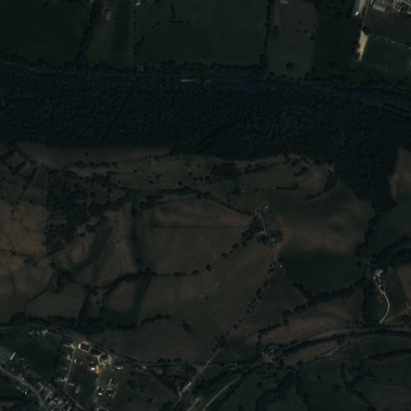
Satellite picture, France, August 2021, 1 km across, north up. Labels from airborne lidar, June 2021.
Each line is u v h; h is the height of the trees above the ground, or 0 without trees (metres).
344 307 0
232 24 0
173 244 0
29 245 0
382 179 21
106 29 0
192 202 0
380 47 0
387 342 0
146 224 0
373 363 9
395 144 20
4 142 16
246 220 0
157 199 9
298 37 0
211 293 0
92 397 0
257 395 0
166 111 25
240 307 0
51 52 0
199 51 0
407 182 0
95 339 0
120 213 0
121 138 23
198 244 0
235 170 14
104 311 16
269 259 0
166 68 21
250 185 0
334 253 0
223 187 0
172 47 0
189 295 0
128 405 0
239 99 29
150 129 27
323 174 0
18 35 0
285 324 10
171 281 0
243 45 0
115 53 0
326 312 0
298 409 0
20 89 27
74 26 0
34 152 0
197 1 0
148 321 11
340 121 20
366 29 13
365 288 15
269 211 0
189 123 33
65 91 25
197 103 27
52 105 25
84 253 0
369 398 0
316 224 0
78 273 0
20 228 0
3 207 0
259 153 19
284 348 8
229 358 0
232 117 18
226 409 0
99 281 0
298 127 20
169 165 0
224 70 20
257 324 0
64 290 0
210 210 0
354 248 0
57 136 25
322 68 0
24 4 0
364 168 32
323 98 27
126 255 0
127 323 0
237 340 0
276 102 26
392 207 18
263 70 18
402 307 0
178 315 0
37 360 0
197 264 0
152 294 0
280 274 0
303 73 0
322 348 0
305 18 0
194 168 0
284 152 10
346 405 0
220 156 17
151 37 0
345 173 19
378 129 23
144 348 0
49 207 9
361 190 22
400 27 0
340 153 13
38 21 0
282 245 0
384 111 16
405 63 0
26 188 13
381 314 0
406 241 16
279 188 6
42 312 0
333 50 0
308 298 13
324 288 0
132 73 21
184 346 0
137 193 10
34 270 0
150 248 0
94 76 0
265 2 0
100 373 0
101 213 6
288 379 14
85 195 13
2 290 0
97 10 19
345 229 0
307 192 0
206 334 0
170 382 8
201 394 22
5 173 0
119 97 26
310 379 0
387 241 0
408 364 0
